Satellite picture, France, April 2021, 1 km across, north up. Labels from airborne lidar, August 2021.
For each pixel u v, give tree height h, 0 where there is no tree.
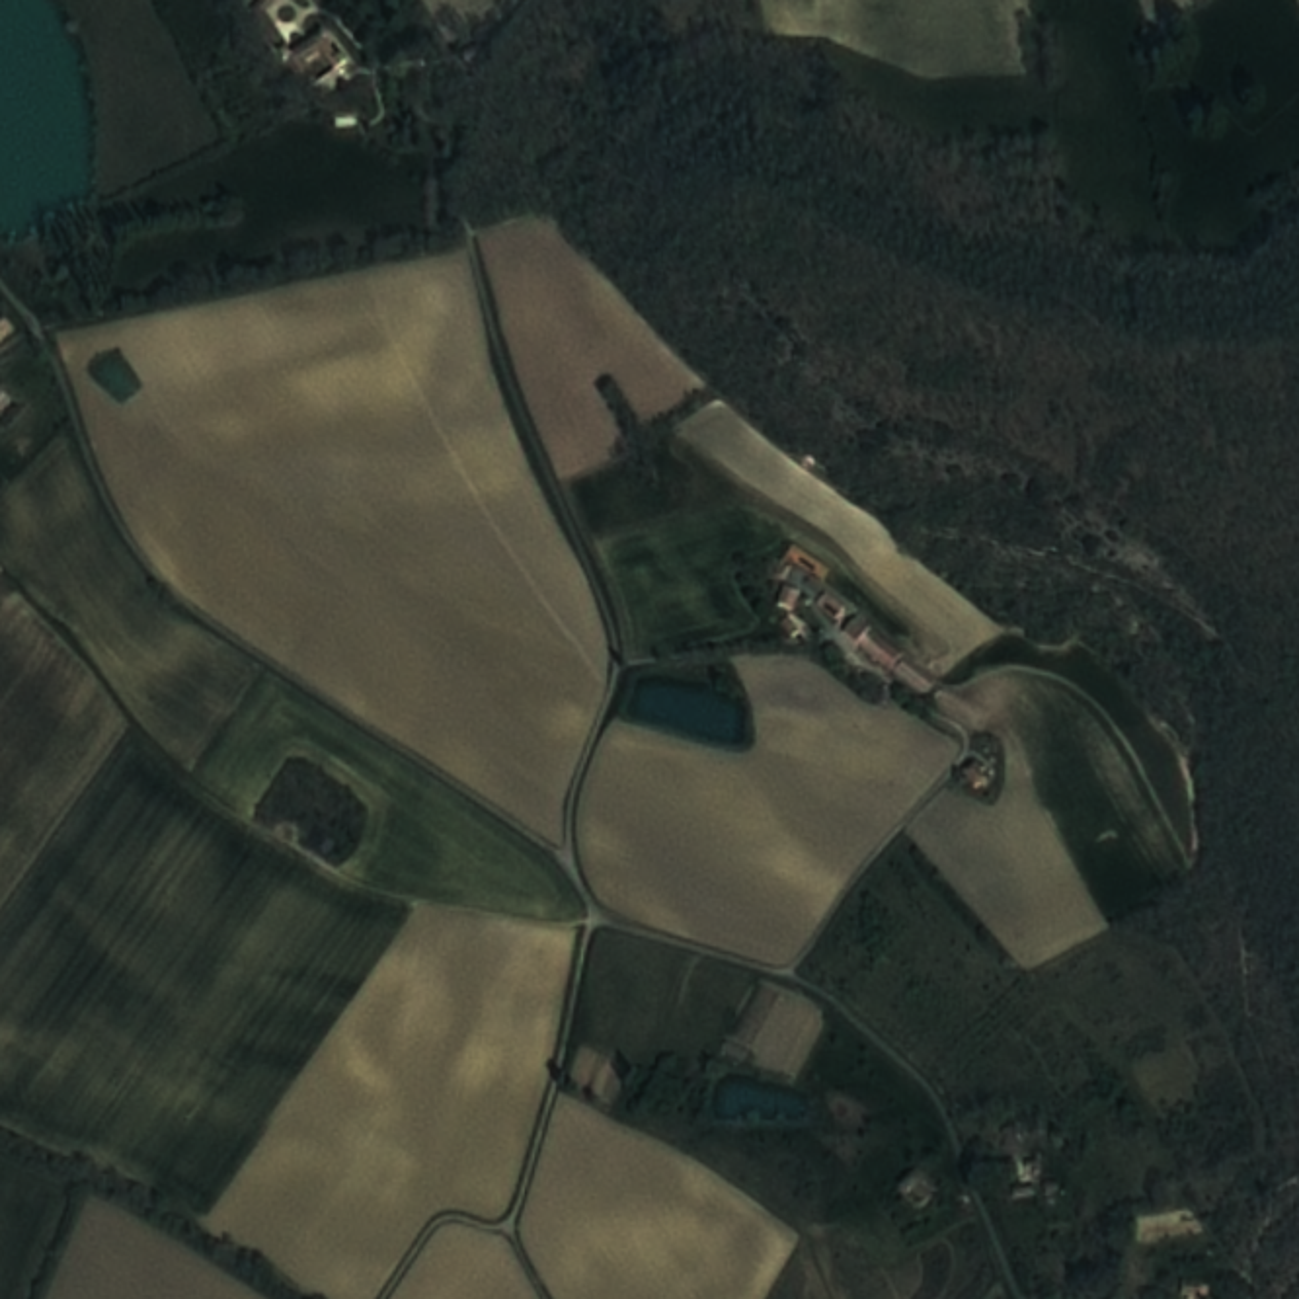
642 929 0
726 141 8
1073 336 10
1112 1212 10
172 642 0
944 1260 6
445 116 23
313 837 0
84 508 0
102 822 0
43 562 0
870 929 10
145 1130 0
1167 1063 0
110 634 0
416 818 0
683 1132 0
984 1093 8
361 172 0
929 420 6
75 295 11
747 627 0
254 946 0
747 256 9
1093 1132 8
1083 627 12
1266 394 12
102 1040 0
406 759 0
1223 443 8
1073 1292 8
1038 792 0
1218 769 15
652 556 0
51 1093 0
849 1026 0
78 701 0
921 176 8
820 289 11
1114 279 19
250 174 0
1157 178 6
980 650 0
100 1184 14
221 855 0
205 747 0
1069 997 0
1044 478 9
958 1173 0
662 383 0
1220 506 9
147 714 0
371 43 17
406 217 0
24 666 0
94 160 9
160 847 0
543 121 17
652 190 12
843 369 6
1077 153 0
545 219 16
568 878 0
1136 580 10
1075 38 0
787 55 15
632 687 0
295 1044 0
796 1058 0
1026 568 11
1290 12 0
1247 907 12
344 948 0
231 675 0
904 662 0
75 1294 0
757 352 11
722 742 0
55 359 16
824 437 13
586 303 0
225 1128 0
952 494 7
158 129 0
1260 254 18
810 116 18
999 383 8
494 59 21
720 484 0
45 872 0
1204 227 0
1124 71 0
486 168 21
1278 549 11
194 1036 0
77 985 0
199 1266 0
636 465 10
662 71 14
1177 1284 8
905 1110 0
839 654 15
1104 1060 6
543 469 0
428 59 18
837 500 0
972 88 0
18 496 0
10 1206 0
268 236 0
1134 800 0
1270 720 14
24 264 6
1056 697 0
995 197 14
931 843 0
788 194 11
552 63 16
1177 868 0
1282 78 0
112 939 0
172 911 0
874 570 0
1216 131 32
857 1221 0
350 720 0
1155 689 14
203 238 0
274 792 0
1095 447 7
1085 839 0
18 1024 0
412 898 0
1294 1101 9
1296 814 18
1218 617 10
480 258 0
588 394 0
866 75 0
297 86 22
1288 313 18
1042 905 0
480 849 0
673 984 0
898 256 9
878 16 0
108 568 0
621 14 19
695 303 9
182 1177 0
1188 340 10
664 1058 8
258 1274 19
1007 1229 0
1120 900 0
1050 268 11
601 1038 0
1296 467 13
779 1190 0
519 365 0
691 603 0
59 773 0
